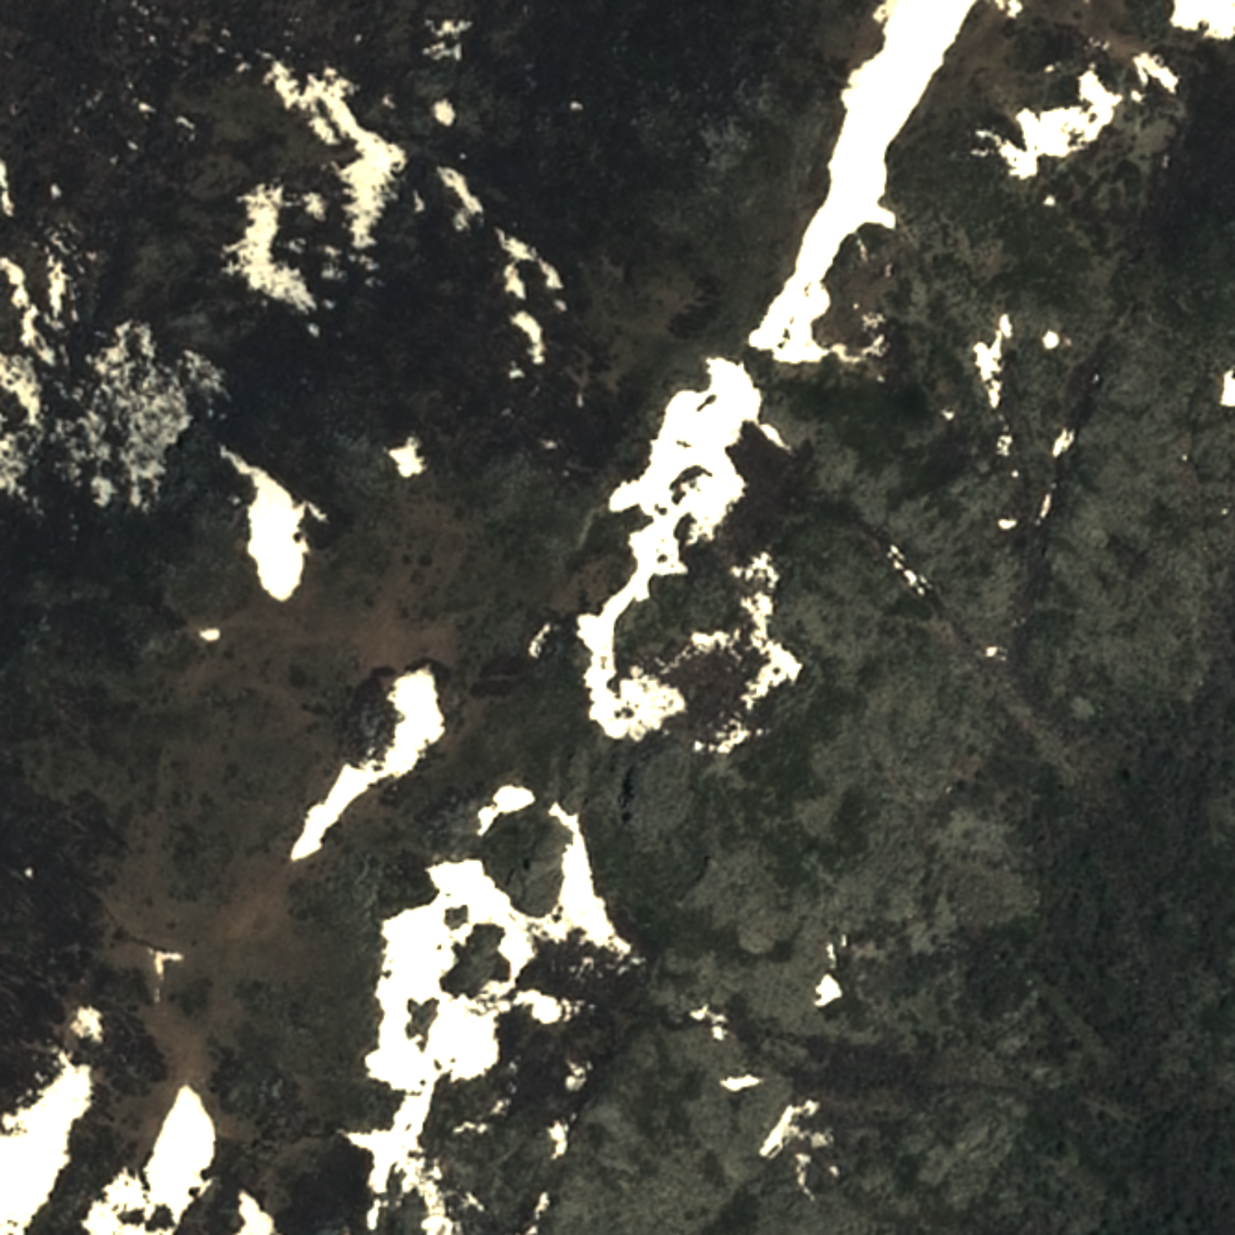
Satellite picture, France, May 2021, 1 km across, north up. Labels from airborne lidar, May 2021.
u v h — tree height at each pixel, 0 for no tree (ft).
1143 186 0
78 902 0
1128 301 0
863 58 0
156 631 0
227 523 0
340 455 0
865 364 0
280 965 0
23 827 0
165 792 0
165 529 0
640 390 0
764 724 27
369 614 0
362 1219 0
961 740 0
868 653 0
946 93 0
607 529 0
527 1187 0
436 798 0
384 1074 0
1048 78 0
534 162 0
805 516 0
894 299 0
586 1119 0
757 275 0
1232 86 0
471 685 0
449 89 0
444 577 0
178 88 0
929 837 20
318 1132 0
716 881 0
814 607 0
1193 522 0
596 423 0
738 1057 0
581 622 0
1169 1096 42
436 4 0
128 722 0
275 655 0
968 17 0
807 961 0
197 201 0
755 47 0
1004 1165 35
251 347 0
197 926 0
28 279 0
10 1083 0
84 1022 0
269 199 0
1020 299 0
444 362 0
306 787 0
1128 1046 33
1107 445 0
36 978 0
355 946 0
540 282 0
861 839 0
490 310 0
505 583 0
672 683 33
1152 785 37
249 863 0
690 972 0
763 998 0
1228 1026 0
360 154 0
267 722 0
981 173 0
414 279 0
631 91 0
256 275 0
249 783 0
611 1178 0
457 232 0
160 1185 0
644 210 0
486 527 0
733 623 0
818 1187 0
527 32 0
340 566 0
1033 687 19
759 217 0
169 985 0
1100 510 0
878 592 0
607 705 0
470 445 0
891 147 0
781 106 0
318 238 0
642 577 0
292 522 0
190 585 0
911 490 0
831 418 0
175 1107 0
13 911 0
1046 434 0
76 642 0
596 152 0
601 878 0
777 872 0
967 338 0
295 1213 0
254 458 0
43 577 0
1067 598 0
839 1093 43
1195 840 34
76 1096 0
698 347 0
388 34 0
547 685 0
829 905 0
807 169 0
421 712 0
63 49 22
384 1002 0
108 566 0
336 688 0
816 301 0
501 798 0
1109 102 0
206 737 0
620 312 0
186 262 0
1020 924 0
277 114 0
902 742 0
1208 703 41
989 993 39
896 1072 22
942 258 0
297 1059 0
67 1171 0
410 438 0
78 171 0
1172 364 0
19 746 0
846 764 0
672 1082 0
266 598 0
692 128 0
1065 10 0
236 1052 0
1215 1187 32
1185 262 0
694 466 0
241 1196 0
